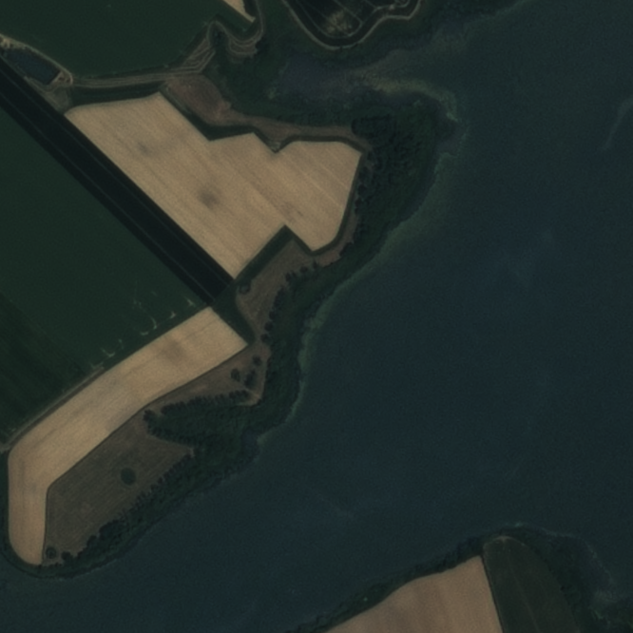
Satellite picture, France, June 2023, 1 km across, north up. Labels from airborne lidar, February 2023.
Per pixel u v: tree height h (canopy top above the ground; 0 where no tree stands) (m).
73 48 0
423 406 0
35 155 0
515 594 0
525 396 0
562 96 0
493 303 0
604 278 0
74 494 0
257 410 5
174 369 0
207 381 0
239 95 0
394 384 0
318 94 0
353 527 0
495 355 0
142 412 0
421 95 0
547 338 0
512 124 0
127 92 0
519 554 0
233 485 0
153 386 0
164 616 0
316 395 0
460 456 0
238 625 0
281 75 0
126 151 0
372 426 0
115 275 0
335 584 0
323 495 0
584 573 0
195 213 0
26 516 0
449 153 0
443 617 0
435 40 0
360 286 0
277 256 0
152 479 0
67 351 0
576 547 0
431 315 0
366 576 0
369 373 0
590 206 0
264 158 0
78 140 0
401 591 0
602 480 0
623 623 0
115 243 0
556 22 0
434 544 0
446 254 0
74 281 0
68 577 0
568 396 0
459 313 0
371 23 0
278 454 0
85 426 0
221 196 0
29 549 0
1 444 0
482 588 0
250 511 0
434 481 0
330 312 0
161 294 0
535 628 0
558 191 0
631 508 0
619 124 0
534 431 0
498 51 0
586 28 0
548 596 0
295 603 0
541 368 0
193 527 0
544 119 0
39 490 0
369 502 0
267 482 0
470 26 0
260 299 0
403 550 0
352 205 0
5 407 0
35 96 0
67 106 0
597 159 0
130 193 0
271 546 0
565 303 0
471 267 0
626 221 0
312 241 0
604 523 0
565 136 0
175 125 0
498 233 0
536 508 0
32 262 0
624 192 0
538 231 0
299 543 0
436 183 0
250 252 0
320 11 0
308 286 0
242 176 0
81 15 0
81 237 0
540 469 0
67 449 0
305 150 0
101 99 0
